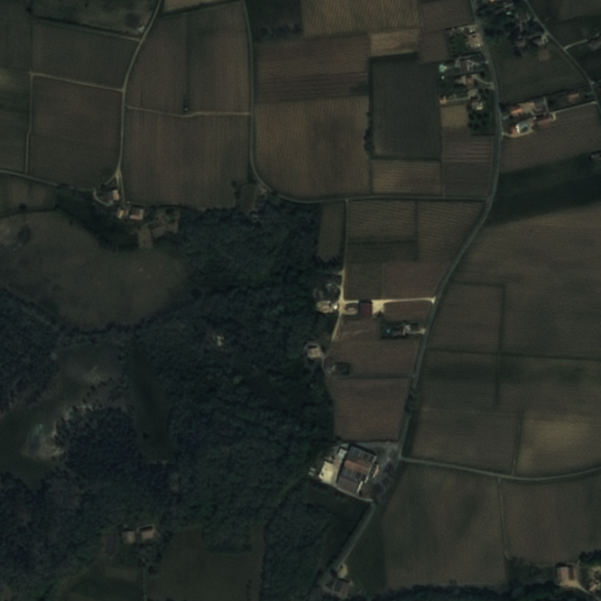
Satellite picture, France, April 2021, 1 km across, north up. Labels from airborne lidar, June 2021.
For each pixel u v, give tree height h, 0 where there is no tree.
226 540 9
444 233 0
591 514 0
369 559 0
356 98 0
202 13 0
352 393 0
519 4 17
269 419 17
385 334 0
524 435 0
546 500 0
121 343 10
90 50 0
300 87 0
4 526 22
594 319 0
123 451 13
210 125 0
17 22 0
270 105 0
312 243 22
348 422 0
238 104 0
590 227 0
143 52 0
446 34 0
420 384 0
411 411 15
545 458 0
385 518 0
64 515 17
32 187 0
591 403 0
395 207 0
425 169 0
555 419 0
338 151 0
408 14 0
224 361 7
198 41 0
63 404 0
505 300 0
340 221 0
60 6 0
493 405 0
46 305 0
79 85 0
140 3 0
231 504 20
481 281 0
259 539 0
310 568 23
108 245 13
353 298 0
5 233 0
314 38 0
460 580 0
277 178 0
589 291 0
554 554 0
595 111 0
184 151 0
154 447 0
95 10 0
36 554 24
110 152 0
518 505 0
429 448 0
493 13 16
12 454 0
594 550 0
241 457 16
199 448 17
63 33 0
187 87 0
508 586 0
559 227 0
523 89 0
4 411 15
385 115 0
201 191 0
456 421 0
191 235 22
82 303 0
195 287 0
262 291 16
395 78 0
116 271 0
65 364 0
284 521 19
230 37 0
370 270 0
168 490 17
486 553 0
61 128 0
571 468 0
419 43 0
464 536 0
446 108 0
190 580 0
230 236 25
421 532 0
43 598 6
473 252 0
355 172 0
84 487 15
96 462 15
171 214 10
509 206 0
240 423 14
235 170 0
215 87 0
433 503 0
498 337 0
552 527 0
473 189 0
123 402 0
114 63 0
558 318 0
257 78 0
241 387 19
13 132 0
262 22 0
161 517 13
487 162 0
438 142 0
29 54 0
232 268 12
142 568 8
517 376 0
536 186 0
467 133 0
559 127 0
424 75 0
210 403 19
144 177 0
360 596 0
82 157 0
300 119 0
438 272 0
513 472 0
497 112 0
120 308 0
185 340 14
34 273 0
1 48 0
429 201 0
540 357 0
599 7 0
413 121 0
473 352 0
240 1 0
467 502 0
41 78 0
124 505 23
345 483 0
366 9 0
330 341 0
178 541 0
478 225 0
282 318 16
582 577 0
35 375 17
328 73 0
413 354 0
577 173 0
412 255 0
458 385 0
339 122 0
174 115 0
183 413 7
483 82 0
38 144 0
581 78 0
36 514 20
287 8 0
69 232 0
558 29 0
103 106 0
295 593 17
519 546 0
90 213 0
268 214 18
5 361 12
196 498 21
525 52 13
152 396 0
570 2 0
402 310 0
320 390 19
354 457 0
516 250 0
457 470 0
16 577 19
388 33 0
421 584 0
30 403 16
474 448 0
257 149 0
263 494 18
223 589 0
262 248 12
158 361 9
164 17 0
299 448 22
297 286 19
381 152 0
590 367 0
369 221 0
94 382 0
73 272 0
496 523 0
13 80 0
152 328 17
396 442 0
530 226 0
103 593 0
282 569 21
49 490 23
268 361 9
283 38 16
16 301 20
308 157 0
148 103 0
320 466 0
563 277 0
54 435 0
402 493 0
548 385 0
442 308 0
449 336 0
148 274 0
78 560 21
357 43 0
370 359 0
